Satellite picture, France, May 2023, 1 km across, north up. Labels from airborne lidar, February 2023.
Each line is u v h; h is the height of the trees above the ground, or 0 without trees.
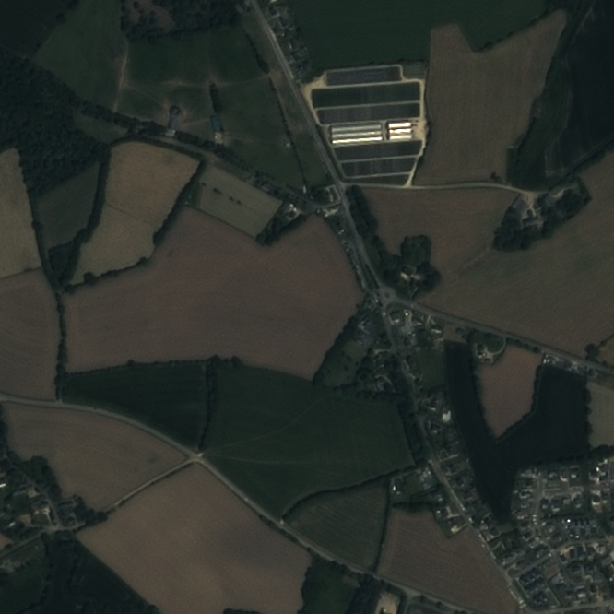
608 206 0
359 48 0
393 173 0
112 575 0
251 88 0
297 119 0
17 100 18
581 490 0
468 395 0
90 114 14
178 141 10
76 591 14
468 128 0
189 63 0
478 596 0
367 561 0
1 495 0
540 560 0
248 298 0
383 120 0
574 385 0
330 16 0
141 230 0
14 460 12
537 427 0
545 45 0
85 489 0
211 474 0
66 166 13
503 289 0
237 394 0
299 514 0
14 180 0
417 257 0
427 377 0
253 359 0
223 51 0
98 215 12
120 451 0
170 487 0
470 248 0
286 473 0
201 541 0
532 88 0
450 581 0
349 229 0
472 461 0
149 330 0
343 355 8
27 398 0
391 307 0
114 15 0
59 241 0
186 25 14
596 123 0
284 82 0
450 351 0
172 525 0
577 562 6
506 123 0
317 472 0
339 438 0
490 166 0
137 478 0
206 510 0
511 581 0
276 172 0
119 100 0
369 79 0
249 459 0
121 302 0
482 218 0
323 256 0
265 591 0
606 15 0
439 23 0
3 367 0
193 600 0
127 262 0
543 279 0
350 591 0
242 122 0
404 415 12
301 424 0
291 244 0
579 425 0
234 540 0
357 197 10
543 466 10
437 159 0
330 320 0
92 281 15
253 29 0
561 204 7
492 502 0
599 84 0
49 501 0
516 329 0
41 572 0
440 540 0
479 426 0
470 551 0
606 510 0
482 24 0
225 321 0
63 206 0
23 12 0
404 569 0
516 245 11
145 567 0
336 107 0
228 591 0
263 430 0
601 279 0
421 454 15
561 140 0
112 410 0
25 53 0
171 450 0
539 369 10
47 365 0
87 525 7
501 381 0
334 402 0
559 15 0
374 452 0
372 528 0
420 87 0
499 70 0
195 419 0
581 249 0
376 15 0
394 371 17
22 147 17
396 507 8
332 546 0
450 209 0
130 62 0
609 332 0
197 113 0
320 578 0
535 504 0
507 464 0
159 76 0
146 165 0
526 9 0
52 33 0
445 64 0
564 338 0
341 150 0
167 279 0
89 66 0
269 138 0
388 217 0
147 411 0
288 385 0
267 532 0
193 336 0
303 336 0
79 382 0
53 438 0
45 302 0
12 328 0
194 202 0
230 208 0
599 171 0
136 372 0
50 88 20
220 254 0
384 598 0
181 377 0
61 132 18
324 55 0
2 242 0
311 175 0
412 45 0
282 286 0
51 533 0
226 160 8
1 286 0
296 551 0
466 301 0
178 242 0
